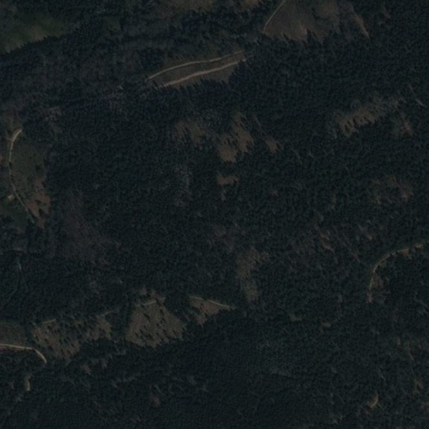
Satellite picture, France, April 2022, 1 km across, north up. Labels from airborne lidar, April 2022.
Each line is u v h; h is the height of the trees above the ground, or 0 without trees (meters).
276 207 27
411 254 14
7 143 14
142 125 21
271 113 19
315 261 20
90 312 15
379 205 17
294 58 17
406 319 26
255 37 24
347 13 25
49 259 24
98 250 21
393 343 25
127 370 21
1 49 0
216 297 20
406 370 26
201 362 16
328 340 17
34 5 27
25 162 0
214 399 21
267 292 28
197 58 25
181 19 18
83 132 25
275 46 26
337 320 22
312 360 21
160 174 22
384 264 10
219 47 20
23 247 25
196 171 18
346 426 25
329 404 30
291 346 18
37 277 23
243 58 0
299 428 22
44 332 0
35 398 16
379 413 16
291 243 17
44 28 0
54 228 17
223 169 16
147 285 14
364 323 21
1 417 18
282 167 27
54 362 15
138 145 21
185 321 25
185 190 22
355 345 18
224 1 24
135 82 23
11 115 8
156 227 22
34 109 17
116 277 21
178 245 7
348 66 18
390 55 18
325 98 23
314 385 24
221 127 23
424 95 16
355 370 22
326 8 0
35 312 16
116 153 21
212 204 20
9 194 0
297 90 19
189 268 26
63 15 23
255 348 13
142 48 29
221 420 15
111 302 17
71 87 16
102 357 22
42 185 0
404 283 28
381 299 31
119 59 19
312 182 33
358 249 15
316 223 18
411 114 15
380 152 25
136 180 18
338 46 18
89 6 29
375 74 25
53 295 21
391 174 26
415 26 18
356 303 12
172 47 28
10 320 22
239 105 21
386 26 15
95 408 14
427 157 24
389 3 21
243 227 17
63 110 18
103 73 14
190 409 16
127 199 23
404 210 21
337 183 18
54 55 24
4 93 21
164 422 15
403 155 24
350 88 22
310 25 0
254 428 19
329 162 18
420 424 20
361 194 28
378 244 30
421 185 24
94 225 17
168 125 22
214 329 24
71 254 19
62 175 20
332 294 22
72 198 18
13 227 26
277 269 9
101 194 19
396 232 16
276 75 13
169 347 24
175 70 0
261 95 24
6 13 12
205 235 20
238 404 14
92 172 23
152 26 27
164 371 15
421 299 24
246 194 13
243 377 19
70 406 13
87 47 19
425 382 24
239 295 25
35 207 0
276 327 17
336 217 15
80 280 22
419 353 22
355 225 19
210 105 17
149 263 25
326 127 22
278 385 21
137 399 20
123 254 19
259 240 17
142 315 0
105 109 22
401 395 25
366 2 26
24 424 12
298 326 16
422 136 26
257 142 21
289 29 0
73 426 13
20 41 0
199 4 0
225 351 17
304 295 34
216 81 0
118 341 23
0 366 10
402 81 25
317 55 23
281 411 21
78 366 27
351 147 18
